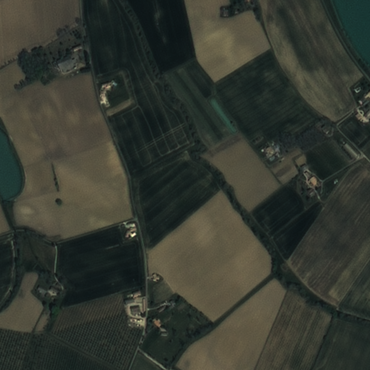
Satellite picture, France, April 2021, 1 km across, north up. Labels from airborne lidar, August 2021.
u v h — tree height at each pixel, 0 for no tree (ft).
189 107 0
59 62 0
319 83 0
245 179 0
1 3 0
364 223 0
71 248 0
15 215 0
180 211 0
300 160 0
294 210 0
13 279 0
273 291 0
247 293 0
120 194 0
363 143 0
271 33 0
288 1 0
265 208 0
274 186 0
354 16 0
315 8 0
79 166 0
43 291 0
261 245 0
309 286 0
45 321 0
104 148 0
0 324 0
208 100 0
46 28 0
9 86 0
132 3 0
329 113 0
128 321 0
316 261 0
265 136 0
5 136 0
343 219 0
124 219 0
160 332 24
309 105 0
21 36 0
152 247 0
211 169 39
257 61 0
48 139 0
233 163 0
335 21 0
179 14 0
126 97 0
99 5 0
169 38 0
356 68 0
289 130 0
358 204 0
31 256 0
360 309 0
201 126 0
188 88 0
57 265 0
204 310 0
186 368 0
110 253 0
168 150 0
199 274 0
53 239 0
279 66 0
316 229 0
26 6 0
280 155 30
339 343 0
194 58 0
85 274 0
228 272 0
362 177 0
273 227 0
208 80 0
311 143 70
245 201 0
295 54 0
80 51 28
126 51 0
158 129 0
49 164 0
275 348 0
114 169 0
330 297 0
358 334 0
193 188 0
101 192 0
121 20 0
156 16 0
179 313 0
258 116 0
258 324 0
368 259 0
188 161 0
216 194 0
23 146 0
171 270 0
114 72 0
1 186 0
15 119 0
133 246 0
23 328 0
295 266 0
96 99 0
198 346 0
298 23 0
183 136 0
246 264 0
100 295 0
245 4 66
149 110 0
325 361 0
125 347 20
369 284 0
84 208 0
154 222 0
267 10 0
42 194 0
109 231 0
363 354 0
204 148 39
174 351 0
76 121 0
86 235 0
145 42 24
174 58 0
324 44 0
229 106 0
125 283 0
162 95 0
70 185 0
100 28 0
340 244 0
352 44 0
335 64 0
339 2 0
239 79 0
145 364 0
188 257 0
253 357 0
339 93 0
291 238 0
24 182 0
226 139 0
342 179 0
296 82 0
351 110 0
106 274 0
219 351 0
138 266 0
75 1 0
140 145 0
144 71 0
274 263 51
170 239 0
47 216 0
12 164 0
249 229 0
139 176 0
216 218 0
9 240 0
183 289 0
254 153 0
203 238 0
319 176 0
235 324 0
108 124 0
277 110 0
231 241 0
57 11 0
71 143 0
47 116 0
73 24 0
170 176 0
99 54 0
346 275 0
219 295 0
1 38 0
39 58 54
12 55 0
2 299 0
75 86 0
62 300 0
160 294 0
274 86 0
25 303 0
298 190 0
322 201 0
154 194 0
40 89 0
